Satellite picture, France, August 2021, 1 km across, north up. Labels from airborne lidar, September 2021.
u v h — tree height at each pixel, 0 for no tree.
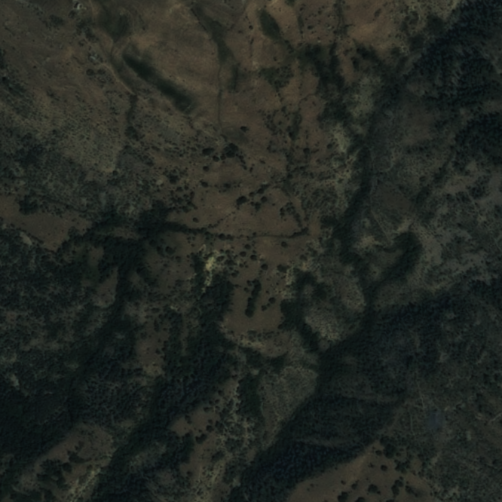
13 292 7
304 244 0
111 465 6
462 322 6
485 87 7
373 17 0
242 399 15
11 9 0
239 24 0
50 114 0
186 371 9
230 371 7
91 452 0
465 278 8
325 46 0
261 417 8
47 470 10
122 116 0
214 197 0
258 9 0
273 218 0
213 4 0
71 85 0
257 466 8
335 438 8
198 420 0
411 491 9
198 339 10
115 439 8
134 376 7
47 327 7
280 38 0
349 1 0
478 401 6
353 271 8
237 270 6
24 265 9
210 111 0
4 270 7
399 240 8
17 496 16
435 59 8
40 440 10
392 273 9
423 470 7
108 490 13
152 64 0
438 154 0
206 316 8
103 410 13
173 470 8
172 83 0
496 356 7
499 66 0
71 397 8
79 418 19
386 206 0
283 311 8
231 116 0
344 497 11
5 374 11
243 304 0
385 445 15
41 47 0
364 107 0
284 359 8
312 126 0
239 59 0
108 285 0
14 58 0
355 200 6
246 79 0
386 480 0
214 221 0
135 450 10
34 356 8
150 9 0
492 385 11
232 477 7
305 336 9
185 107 0
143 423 6
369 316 9
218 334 8
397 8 0
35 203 7
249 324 0
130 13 0
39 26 0
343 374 5
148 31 0
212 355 14
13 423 18
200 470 0
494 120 16
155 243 12
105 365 13
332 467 6
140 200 7
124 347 7
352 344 10
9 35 0
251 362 8
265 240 0
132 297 11
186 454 9
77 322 10
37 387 10
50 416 10
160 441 14
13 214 0
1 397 11
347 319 6
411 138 0
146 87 0
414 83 0
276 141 0
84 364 13
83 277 8
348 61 0
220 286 7
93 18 0
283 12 0
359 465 0
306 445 10
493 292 9
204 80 0
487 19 13
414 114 0
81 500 11
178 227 8
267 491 7
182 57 0
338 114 7
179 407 13
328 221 6
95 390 13
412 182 0
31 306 6
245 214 0
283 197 0
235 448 11
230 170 0
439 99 7
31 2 0
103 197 0
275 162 0
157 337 0
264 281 0
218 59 0
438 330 6
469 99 9
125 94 0
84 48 0
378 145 0
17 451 20
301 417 7
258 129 0
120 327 7
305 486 0
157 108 0
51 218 0
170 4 0
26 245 9
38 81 0
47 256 7
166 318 9
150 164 6
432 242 0
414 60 0
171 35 0
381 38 0
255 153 0
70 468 15
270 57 0
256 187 0
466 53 0
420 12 0
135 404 13
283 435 12
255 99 0
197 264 5
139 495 11
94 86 0
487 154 12
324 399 6
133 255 17
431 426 0
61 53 0
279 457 13
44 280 8
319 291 7
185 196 6
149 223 8
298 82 0
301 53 0
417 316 8
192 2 0
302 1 0
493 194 0
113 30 0
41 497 8
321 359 10
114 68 0
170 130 0
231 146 7
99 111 0
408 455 6
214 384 9
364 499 9
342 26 0
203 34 0
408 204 0
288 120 0
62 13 0
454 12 13
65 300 8
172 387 23
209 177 0
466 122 0
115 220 12
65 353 6
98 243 10
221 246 0
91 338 10
